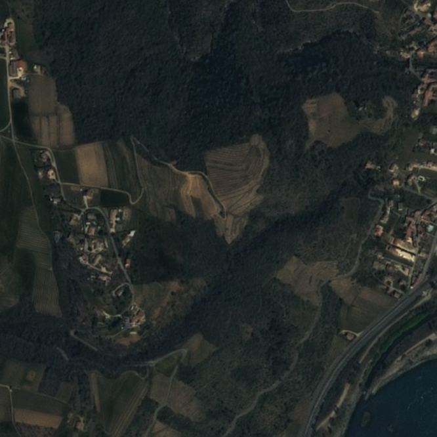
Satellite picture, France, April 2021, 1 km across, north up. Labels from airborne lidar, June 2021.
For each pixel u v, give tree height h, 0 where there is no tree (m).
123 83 7
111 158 0
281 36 7
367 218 12
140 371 6
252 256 7
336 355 0
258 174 0
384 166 6
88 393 9
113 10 7
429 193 0
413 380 0
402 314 0
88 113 14
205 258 8
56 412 0
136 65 9
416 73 0
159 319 7
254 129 9
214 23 6
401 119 6
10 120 0
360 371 18
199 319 9
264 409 9
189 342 0
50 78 0
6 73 0
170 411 7
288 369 14
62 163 0
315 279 0
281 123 11
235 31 9
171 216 0
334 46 14
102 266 11
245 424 7
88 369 14
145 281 9
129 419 0
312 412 0
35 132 0
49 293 0
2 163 0
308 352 6
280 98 7
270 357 7
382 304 0
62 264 9
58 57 9
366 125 0
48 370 11
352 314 0
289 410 7
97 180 0
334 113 0
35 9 5
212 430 10
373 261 7
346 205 0
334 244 8
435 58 16
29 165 0
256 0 7
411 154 0
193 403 0
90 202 0
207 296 16
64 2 6
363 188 15
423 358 0
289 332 8
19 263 0
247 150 0
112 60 13
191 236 10
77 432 7
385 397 0
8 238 0
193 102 12
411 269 0
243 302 6
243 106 11
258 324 10
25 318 16
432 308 7
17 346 18
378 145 10
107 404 0
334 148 7
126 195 0
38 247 0
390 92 6
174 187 0
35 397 0
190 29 6
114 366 15
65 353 12
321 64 18
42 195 0
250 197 0
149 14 6
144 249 8
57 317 7
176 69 6
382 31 0
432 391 0
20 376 0
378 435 0
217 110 8
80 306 11
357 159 16
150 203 0
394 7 7
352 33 7
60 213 7
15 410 0
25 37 0
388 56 6
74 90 9
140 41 9
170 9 6
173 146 6
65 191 0
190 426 11
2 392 0
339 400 0
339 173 11
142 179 0
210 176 0
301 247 8
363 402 0
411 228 0
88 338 18
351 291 0
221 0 6
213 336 5
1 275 0
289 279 0
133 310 0
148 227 8
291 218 7
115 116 8
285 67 12
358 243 8
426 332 0
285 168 7
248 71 8
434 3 0
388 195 11
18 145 0
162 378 0
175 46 7
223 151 0
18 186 0
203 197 0
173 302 8
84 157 0
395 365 0
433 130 0
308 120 8
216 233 14
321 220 6
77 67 10
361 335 0
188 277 9
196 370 8
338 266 7
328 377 0
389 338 7
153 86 6
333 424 14
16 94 0
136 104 8
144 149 10
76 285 17
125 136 8
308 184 7
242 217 0
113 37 6
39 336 18
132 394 0
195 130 7
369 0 11
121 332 0
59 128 0
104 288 6
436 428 0
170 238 0
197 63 6
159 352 10
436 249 0
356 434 0
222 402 8
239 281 15
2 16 0
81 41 9
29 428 9
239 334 7
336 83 10
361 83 12
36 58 0
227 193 0
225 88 6
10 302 0
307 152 6
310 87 13
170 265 0
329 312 11
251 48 13
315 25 7
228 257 13
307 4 8
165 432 0
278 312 7
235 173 0
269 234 8
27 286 0
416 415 0
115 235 14
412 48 13
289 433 0
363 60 18
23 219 0
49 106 0
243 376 14
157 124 8
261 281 8
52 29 13
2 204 0
